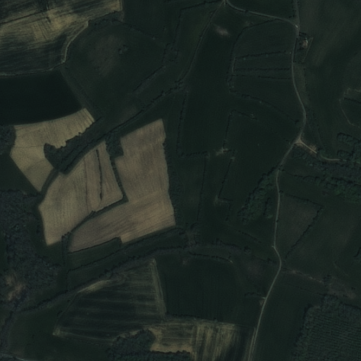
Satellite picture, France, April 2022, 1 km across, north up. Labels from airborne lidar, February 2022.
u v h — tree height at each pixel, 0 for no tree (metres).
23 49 0
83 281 0
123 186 7
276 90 0
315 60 0
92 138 0
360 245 0
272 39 0
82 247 0
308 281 0
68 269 0
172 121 0
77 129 0
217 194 0
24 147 0
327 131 0
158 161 0
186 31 0
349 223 0
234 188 0
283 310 0
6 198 25
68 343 0
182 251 14
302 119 0
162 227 0
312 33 0
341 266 0
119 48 0
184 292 0
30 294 25
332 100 0
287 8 0
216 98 0
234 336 0
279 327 0
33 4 0
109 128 0
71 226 0
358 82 0
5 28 0
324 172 12
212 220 0
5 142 21
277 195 0
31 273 22
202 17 0
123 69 0
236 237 0
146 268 0
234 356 0
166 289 0
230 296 0
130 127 0
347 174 19
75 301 0
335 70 0
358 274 0
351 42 0
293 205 0
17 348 0
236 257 0
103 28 0
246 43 0
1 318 0
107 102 0
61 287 0
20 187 0
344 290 0
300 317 0
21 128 0
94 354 0
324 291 0
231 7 6
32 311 17
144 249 0
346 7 0
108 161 0
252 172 0
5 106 0
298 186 0
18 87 0
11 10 0
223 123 0
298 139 0
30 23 0
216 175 0
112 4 0
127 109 0
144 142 0
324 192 0
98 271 0
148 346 17
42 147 0
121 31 0
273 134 0
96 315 0
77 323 0
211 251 0
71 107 0
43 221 0
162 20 0
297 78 0
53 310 0
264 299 0
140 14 0
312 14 0
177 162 0
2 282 19
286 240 0
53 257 0
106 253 0
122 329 0
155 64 0
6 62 0
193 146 0
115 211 0
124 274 0
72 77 5
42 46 0
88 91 0
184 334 0
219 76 0
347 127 0
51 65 0
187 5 0
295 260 0
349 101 6
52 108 0
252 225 0
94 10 0
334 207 0
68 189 0
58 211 0
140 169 0
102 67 0
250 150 0
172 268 0
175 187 6
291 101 0
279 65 0
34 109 0
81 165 0
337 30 0
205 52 0
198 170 0
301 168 0
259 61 0
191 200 0
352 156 6
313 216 0
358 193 11
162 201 0
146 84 5
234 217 0
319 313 8
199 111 0
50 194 0
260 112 0
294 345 0
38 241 0
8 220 26
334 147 0
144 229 0
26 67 0
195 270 0
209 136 0
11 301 0
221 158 0
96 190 0
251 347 0
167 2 6
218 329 0
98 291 0
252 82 0
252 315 0
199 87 0
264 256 0
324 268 0
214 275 0
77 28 0
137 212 0
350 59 0
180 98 0
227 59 0
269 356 0
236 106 0
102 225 0
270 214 9
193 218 0
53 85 0
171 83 0
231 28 0
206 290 0
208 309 0
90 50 0
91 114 0
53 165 0
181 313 0
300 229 0
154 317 0
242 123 0
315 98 0
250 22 0
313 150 0
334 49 0
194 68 0
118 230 0
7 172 0
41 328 0
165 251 18
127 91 0
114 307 0
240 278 0
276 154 0
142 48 0
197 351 0
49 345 0
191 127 0
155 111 0
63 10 0
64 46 0
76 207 0
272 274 0
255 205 15
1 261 0
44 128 0
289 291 0
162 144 0
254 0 0
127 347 26
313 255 0
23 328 0
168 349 0
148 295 0
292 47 0
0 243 0
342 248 0
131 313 0
